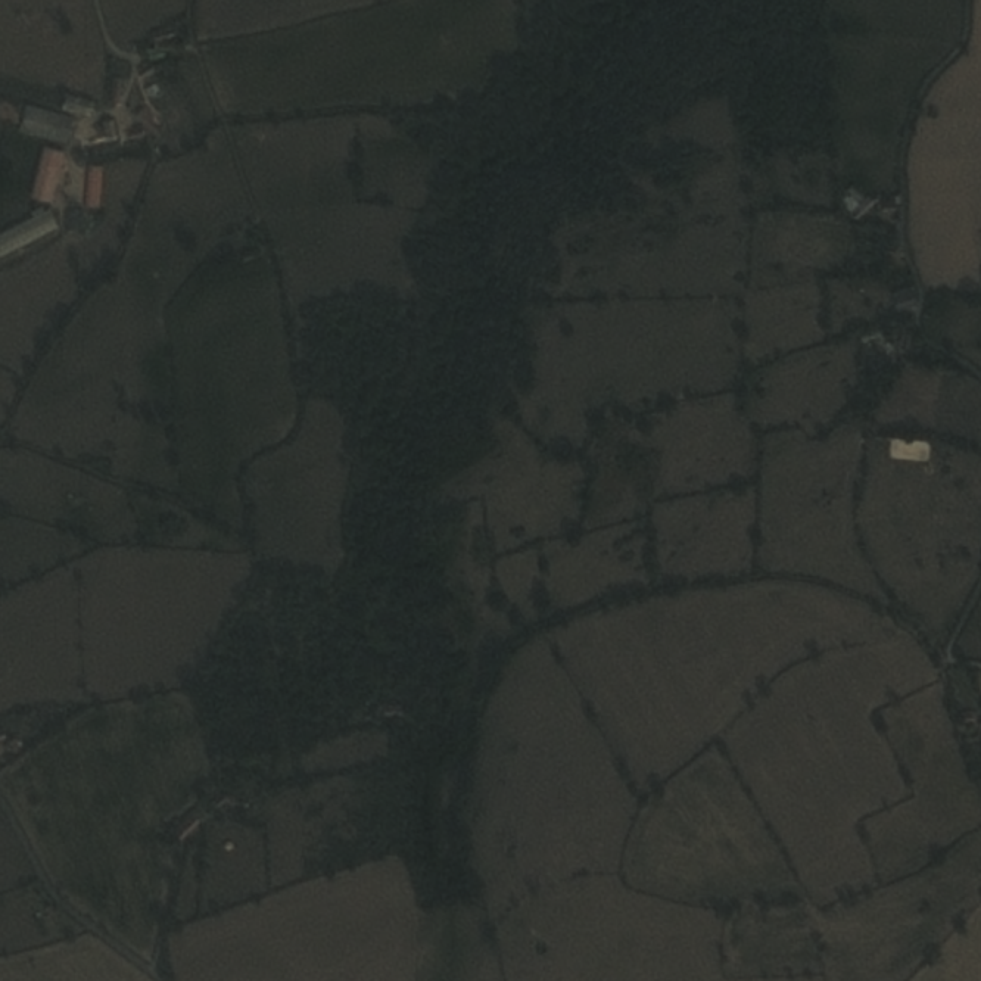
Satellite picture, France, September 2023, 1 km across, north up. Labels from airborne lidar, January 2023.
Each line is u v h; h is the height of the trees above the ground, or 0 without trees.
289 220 0
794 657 0
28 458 0
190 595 0
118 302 0
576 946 0
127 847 0
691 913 0
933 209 0
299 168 0
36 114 0
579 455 7
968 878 0
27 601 0
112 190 0
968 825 0
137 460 0
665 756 0
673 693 0
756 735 0
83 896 0
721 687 0
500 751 0
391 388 11
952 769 0
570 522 0
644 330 0
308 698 0
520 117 20
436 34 0
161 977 9
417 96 0
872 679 0
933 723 0
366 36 0
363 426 18
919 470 0
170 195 0
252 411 0
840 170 0
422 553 12
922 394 0
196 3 0
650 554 12
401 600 13
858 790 0
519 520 0
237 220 0
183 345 0
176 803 0
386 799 10
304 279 0
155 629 0
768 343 0
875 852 0
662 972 0
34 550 0
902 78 0
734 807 0
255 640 18
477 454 0
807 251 0
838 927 0
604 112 6
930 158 0
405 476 15
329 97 0
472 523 0
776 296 0
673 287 0
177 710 0
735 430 0
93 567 0
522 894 0
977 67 0
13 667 0
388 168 0
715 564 0
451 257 10
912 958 0
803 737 0
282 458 0
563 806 0
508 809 0
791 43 20
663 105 17
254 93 0
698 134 0
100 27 0
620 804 0
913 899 0
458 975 0
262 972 0
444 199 16
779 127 19
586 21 9
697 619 0
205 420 0
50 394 0
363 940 0
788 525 0
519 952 0
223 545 0
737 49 20
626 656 0
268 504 0
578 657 0
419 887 8
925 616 0
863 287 0
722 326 0
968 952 0
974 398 0
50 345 9
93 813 0
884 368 14
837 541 0
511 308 15
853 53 0
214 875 0
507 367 16
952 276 0
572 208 9
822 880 0
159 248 0
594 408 0
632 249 0
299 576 8
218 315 0
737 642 0
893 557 0
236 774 13
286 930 0
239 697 21
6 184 0
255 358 0
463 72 0
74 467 0
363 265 0
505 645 6
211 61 0
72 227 0
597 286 0
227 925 0
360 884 0
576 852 0
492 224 21
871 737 0
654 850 0
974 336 0
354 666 15
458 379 23
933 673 0
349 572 9
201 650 0
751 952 0
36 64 0
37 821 0
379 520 16
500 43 0
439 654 19
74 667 0
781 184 0
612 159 21
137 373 0
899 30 0
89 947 0
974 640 0
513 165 9
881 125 0
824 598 0
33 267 0
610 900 0
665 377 0
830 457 0
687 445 0
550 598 9
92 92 0
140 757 0
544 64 21
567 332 11
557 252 13
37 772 0
